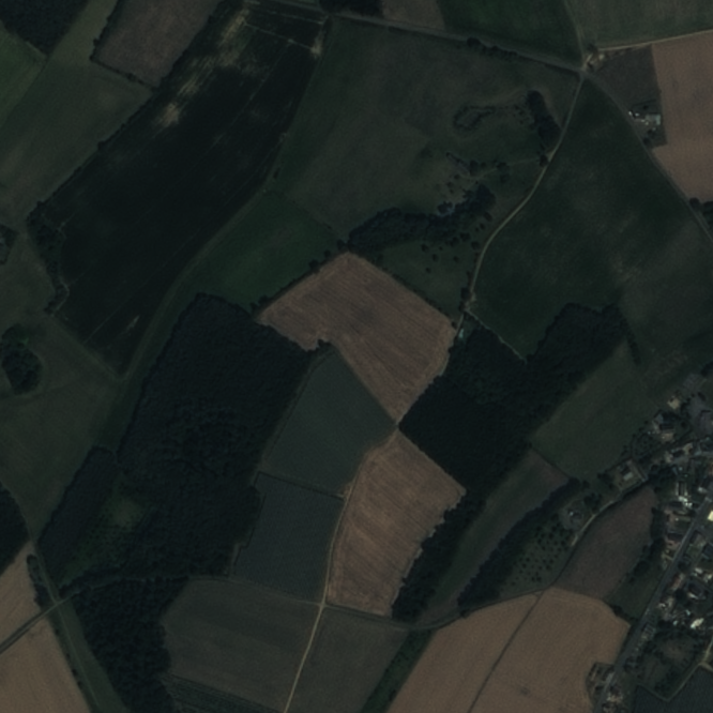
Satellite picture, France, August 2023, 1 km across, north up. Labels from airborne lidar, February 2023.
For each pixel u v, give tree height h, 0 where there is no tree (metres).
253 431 15
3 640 0
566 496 16
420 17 0
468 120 0
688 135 0
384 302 0
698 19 0
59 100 0
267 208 0
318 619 0
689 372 0
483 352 12
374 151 0
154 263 0
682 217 0
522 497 0
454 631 0
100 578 16
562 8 0
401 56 0
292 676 0
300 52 0
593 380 0
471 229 0
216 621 0
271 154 0
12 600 0
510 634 0
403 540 0
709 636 0
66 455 0
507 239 0
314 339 0
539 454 0
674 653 0
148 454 21
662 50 0
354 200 0
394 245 8
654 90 0
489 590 14
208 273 0
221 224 0
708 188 0
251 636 0
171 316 0
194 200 0
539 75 0
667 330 0
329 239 0
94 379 0
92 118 0
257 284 0
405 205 0
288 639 0
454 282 0
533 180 0
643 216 0
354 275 0
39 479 0
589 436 0
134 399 0
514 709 0
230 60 0
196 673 0
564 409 0
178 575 11
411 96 0
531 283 0
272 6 0
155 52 0
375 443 0
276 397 15
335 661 0
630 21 0
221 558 19
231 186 0
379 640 0
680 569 11
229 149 0
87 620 17
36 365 10
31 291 0
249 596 0
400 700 0
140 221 0
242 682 0
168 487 24
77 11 15
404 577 0
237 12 0
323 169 0
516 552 13
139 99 0
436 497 0
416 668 0
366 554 0
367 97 0
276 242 0
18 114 0
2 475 0
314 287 0
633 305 0
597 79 0
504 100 0
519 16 0
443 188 0
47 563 11
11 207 0
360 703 0
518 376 13
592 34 0
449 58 0
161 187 0
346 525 0
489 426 15
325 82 0
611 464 0
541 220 0
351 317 0
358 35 0
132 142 0
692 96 0
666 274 0
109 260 0
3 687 0
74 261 0
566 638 0
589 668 0
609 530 0
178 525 20
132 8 0
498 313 0
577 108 0
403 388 0
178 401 15
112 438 0
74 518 16
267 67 0
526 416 11
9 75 0
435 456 14
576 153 0
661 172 0
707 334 0
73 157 0
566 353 16
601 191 0
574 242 0
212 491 21
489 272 0
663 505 0
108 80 0
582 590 0
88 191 0
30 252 0
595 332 21
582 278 0
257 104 0
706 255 0
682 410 6
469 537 0
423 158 0
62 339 0
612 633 0
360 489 0
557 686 0
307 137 0
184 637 0
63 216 0
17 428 0
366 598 0
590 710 0
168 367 17
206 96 0
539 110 18
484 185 0
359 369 0
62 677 0
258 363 13
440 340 0
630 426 0
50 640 0
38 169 0
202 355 16
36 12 18
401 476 0
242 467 16
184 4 0
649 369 0
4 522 22
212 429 10
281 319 0
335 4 22
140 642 18
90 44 0
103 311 0
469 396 9
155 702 21
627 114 0
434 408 14
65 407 0
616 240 0
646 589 0
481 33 0
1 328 0
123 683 12
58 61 0
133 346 0
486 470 15
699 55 0
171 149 0
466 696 0
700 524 0
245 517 15
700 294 0
